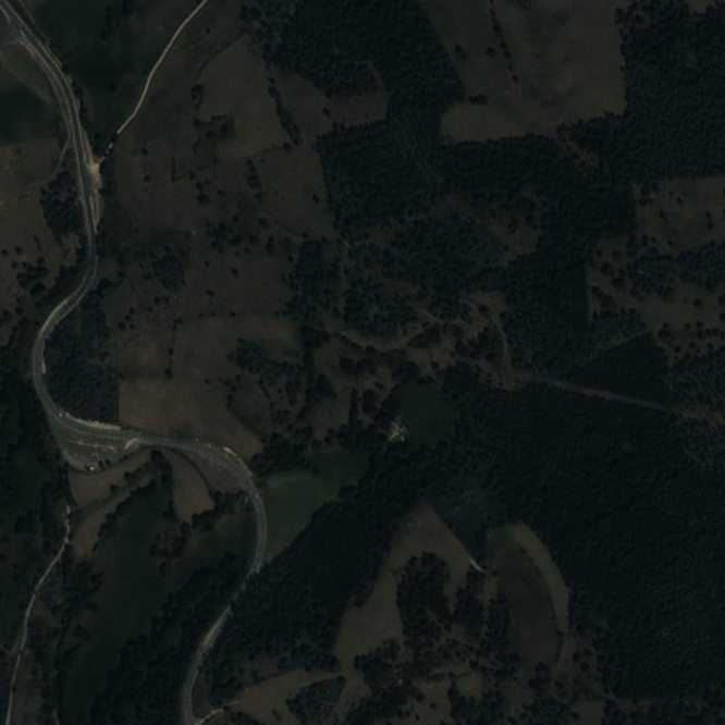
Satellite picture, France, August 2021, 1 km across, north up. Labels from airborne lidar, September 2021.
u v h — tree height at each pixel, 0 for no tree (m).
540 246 11
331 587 14
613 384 9
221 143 0
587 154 9
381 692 8
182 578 0
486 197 9
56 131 0
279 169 0
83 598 11
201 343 0
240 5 0
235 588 15
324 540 15
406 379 13
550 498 10
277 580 6
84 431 0
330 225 0
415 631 8
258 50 0
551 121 0
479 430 7
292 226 0
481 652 10
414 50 8
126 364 0
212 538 0
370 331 15
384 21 11
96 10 0
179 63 0
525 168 9
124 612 0
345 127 10
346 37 9
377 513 11
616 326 17
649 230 0
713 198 0
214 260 0
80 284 0
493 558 0
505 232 0
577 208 9
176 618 16
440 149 15
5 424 11
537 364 12
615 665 14
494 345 7
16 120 0
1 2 0
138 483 0
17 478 17
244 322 0
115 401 0
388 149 12
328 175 7
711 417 0
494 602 12
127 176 0
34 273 15
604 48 0
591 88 0
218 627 0
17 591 0
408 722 0
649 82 16
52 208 15
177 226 0
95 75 0
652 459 12
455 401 12
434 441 0
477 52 0
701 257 12
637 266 11
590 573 17
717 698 14
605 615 14
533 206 11
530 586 0
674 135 18
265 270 0
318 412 0
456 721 11
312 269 12
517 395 11
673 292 12
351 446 17
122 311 0
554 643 0
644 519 16
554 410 10
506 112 0
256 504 0
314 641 12
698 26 9
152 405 0
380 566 10
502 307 0
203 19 0
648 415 8
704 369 15
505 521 12
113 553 0
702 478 13
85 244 16
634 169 17
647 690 20
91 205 0
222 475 0
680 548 12
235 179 0
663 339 7
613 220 13
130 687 11
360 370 11
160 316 0
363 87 12
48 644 5
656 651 18
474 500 0
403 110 13
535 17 0
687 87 15
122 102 0
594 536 16
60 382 8
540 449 12
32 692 6
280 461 10
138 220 0
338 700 0
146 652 20
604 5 0
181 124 0
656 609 13
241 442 0
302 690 0
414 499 14
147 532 0
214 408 0
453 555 0
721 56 12
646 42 10
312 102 0
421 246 7
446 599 10
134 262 0
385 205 19
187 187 0
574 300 17
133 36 0
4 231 0
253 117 0
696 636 17
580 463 12
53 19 0
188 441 0
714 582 15
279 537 0
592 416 6
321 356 0
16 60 0
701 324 10
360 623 0
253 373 11
